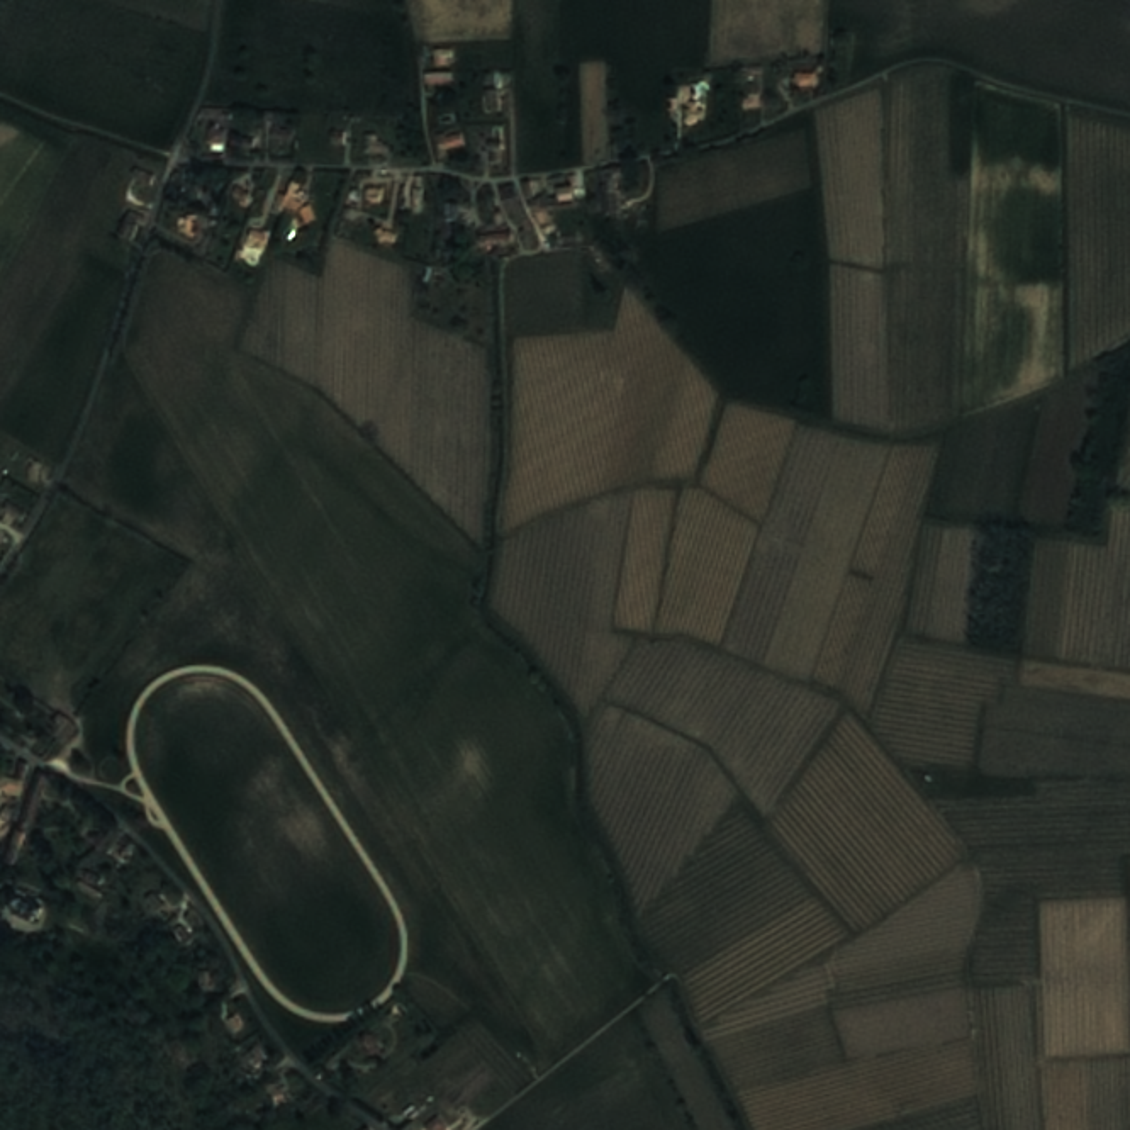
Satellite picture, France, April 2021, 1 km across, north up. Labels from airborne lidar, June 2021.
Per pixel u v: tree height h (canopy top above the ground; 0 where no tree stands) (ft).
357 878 0
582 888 0
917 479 0
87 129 0
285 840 0
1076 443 0
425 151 20
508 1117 0
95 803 50
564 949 0
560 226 0
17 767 21
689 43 0
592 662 0
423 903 0
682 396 0
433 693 0
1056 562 0
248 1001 0
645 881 0
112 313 0
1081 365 0
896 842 0
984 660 0
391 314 0
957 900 0
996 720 0
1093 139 0
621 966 0
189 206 32
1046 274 0
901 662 0
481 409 0
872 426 0
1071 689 0
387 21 0
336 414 0
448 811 0
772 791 0
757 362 0
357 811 0
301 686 0
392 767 0
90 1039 50
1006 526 53
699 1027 0
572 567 0
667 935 0
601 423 0
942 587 0
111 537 0
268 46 0
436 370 0
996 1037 0
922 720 0
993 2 0
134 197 0
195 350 0
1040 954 0
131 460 0
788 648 0
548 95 0
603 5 0
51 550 0
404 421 0
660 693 0
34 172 0
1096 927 0
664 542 0
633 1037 0
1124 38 0
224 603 0
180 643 0
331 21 0
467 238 47
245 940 0
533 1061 0
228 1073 24
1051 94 0
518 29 0
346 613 0
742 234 0
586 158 0
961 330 0
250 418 0
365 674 0
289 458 0
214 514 0
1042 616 0
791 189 0
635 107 0
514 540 0
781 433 0
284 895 0
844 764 0
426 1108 0
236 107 23
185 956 32
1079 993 0
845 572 0
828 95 0
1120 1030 0
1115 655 0
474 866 0
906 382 0
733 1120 45
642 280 46
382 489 0
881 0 0
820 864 0
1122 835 0
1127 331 0
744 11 0
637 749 0
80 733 0
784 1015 0
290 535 0
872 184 0
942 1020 0
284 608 0
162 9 0
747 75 39
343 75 0
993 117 0
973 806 0
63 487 30
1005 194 0
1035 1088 0
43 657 0
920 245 0
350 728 0
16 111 0
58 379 0
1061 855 0
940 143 0
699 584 0
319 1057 49
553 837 0
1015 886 0
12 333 0
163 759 0
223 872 0
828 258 0
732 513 0
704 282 0
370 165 0
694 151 46
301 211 0
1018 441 0
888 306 0
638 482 0
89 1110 58
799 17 0
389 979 0
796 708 0
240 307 0
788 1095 0
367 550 0
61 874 63
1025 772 0
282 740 0
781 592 0
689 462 0
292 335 0
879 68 0
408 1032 0
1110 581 0
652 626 0
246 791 0
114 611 0
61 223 0
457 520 0
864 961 0
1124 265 0
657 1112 0
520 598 0
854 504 0
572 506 0
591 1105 0
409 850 0
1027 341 0
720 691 0
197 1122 36
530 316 0
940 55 0
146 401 0
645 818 0
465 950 0
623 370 0
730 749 0
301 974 0
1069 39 0
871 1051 0
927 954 0
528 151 0
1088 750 0
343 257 0
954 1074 0
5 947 83
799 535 0
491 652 0
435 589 0
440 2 0
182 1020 25
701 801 0
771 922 0
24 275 0
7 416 0
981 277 0
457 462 0
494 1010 0
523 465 0
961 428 0
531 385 0
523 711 0
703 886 0
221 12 0
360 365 0
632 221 0
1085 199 0
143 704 0
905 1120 0
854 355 0
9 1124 34
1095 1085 0
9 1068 40
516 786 0
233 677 0
